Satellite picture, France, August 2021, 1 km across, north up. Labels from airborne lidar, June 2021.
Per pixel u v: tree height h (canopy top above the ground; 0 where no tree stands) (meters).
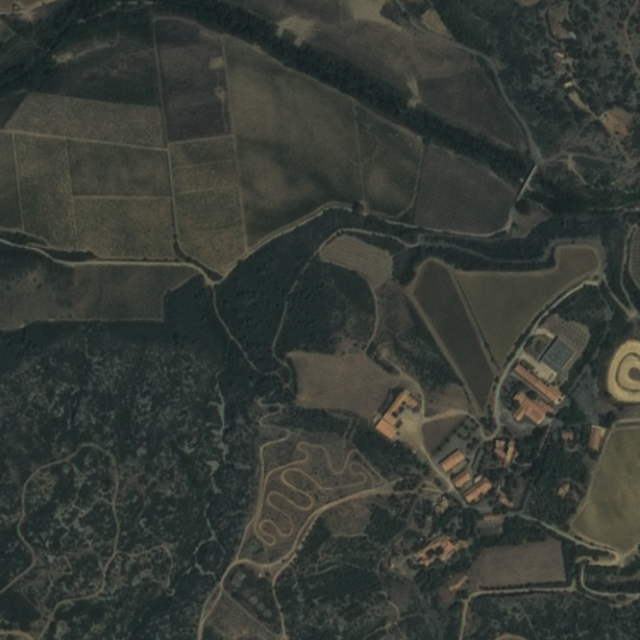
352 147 0
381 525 6
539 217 0
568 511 9
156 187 0
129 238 0
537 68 0
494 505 8
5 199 0
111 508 0
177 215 0
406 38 0
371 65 0
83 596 0
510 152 7
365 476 0
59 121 0
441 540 0
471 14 0
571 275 0
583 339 0
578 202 7
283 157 0
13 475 0
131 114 0
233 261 0
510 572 0
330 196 0
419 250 10
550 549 0
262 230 0
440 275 0
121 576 0
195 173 0
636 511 0
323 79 12
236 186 0
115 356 0
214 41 0
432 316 0
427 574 13
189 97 0
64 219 0
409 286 0
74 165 0
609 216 6
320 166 0
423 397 0
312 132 0
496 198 0
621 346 0
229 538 0
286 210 0
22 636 0
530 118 0
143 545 0
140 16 6
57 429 0
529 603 0
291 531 0
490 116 0
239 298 12
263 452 0
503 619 0
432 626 0
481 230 0
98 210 0
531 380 0
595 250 0
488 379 0
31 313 0
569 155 0
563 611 0
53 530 0
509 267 6
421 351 0
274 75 0
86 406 0
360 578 6
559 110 7
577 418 9
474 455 0
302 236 0
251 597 0
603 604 8
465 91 0
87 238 0
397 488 6
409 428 0
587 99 5
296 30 0
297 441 0
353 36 0
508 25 0
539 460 9
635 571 7
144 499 0
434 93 0
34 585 0
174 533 0
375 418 0
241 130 0
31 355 6
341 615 7
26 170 0
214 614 0
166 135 0
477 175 0
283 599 5
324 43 0
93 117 0
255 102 0
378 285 0
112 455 0
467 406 0
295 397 9
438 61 0
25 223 0
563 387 7
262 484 0
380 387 0
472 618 0
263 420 0
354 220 0
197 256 0
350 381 0
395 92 7
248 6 0
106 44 0
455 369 0
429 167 0
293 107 0
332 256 0
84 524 0
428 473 7
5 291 0
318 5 0
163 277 0
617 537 0
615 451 0
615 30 0
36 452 0
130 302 0
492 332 0
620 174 0
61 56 0
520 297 0
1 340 10
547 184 8
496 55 0
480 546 12
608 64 0
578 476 8
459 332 0
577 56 6
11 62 6
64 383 0
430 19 0
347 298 0
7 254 7
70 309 0
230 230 0
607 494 0
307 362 0
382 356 0
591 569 11
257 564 0
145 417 0
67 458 0
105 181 0
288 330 0
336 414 0
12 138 0
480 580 0
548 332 0
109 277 0
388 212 0
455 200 0
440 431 0
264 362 12
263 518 0
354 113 0
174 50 0
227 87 0
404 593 0
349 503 0
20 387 0
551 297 0
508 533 13
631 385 0
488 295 0
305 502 0
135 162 0
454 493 0
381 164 0
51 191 0
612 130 0
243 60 0
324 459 0
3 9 0
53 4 0
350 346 0
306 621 0
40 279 0
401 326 0
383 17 0
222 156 0
